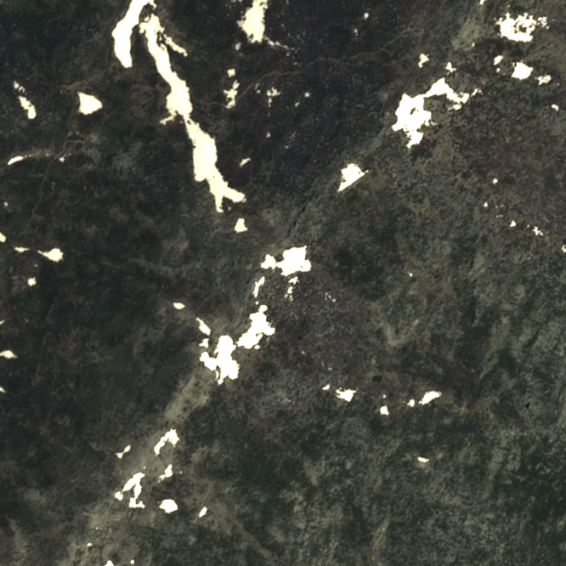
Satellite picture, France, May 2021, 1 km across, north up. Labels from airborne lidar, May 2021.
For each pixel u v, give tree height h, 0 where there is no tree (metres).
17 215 0
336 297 6
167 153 0
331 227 0
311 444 0
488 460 0
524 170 6
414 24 0
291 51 0
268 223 0
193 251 0
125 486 0
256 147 0
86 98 0
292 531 0
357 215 0
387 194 0
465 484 0
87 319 0
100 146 0
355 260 0
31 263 0
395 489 0
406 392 7
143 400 0
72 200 0
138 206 0
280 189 0
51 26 0
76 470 0
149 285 0
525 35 0
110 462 0
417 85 0
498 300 0
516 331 0
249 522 0
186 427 0
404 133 0
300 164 0
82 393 0
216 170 0
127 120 0
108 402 0
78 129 0
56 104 0
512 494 0
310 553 0
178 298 0
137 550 0
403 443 0
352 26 0
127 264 0
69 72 0
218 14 0
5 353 0
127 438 0
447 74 0
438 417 0
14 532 0
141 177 0
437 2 0
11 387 0
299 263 0
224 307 0
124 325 0
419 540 0
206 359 0
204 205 0
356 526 0
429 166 0
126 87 0
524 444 0
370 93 0
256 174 0
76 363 0
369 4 0
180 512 0
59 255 0
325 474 0
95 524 0
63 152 0
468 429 0
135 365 0
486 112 0
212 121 0
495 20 0
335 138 0
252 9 0
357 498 0
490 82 0
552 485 0
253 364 0
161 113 0
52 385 0
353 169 0
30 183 0
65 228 0
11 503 0
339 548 0
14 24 0
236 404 0
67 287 0
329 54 0
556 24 6
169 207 0
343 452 0
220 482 0
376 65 0
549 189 7
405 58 0
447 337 8
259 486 0
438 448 0
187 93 0
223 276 0
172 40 0
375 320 0
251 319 0
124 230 0
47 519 0
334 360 6
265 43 0
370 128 0
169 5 0
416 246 0
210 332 0
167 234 0
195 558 0
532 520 0
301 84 0
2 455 0
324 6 0
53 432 0
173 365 0
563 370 0
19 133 0
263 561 0
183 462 0
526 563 0
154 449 0
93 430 0
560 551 0
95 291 0
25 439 0
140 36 0
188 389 0
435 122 0
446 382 7
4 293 0
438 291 7
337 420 0
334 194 0
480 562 0
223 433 0
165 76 0
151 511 0
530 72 0
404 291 0
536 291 0
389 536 0
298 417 6
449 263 0
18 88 0
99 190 0
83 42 0
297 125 0
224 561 0
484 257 0
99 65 0
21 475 0
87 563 0
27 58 0
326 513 0
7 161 0
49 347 0
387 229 0
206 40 0
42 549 0
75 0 0
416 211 0
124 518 0
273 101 0
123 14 0
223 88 0
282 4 0
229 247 0
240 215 0
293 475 0
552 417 0
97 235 0
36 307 0
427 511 0
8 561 0
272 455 0
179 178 0
